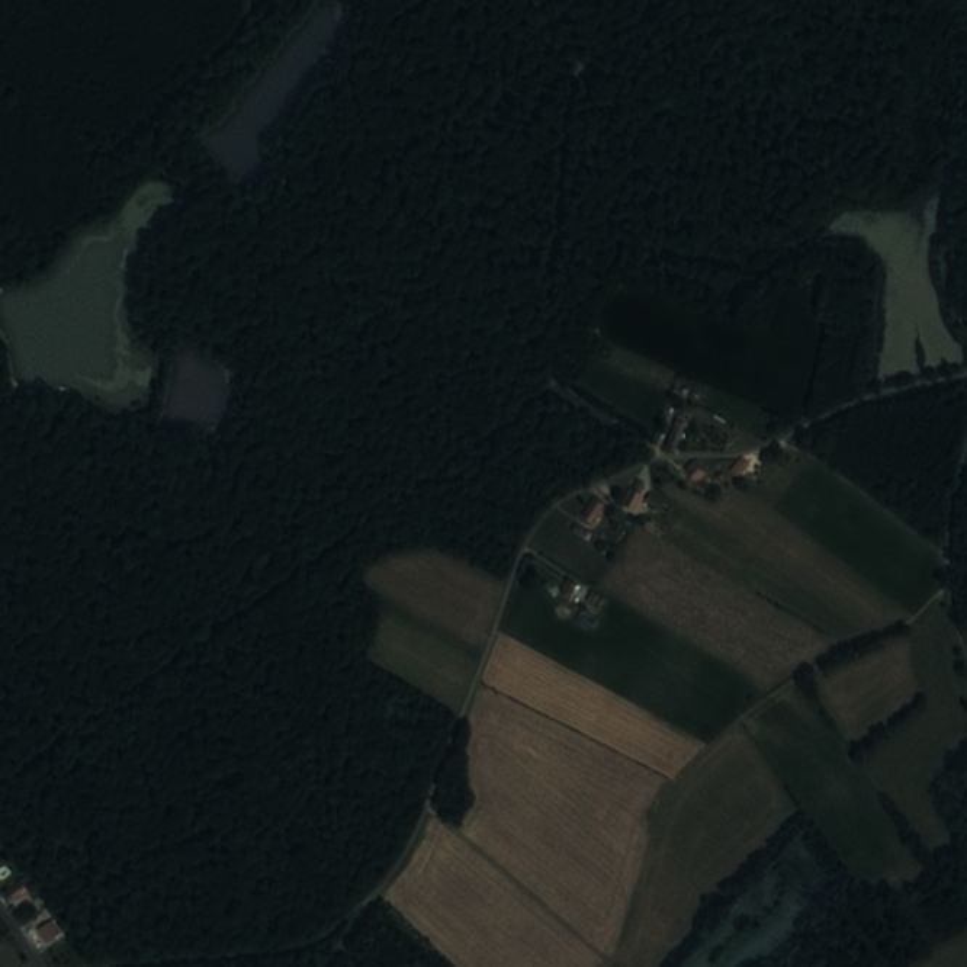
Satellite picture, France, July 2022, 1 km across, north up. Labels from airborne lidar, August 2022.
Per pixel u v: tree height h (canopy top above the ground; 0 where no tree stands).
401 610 0
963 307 28
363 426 22
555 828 0
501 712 0
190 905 23
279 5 26
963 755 15
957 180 27
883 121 21
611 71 30
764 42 28
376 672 17
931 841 0
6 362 15
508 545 17
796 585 0
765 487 0
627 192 26
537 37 28
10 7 12
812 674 16
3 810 20
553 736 0
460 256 29
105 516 23
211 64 28
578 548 0
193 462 22
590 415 16
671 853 0
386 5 30
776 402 0
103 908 22
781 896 6
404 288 14
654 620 0
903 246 0
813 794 0
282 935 17
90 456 18
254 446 28
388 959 10
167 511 26
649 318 0
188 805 23
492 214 28
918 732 0
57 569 21
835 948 28
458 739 14
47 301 0
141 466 22
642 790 0
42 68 13
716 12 27
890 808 12
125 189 15
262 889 24
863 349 19
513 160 32
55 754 16
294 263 25
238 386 12
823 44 20
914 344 0
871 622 0
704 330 0
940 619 0
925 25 7
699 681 0
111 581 24
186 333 13
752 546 0
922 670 0
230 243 24
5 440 23
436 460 20
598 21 26
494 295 23
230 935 16
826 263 25
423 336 29
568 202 28
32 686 23
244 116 0
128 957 11
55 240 19
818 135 15
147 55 10
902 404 18
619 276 26
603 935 0
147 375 0
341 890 21
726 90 25
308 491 21
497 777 0
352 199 26
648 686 0
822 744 0
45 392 22
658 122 29
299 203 31
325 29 0
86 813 22
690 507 0
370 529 15
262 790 23
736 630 0
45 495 19
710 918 18
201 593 21
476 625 0
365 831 17
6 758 26
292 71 0
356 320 15
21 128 12
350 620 19
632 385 0
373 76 31
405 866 0
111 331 0
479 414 20
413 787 16
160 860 21
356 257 26
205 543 25
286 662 24
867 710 0
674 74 29
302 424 20
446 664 0
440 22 32
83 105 10
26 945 0
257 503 22
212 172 18
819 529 0
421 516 20
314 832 26
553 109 27
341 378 26
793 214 30
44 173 14
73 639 25
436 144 23
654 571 0
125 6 13
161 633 19
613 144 26
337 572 19
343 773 16
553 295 28
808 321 0
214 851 23
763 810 0
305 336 22
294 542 19
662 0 26
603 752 0
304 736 26
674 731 0
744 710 0
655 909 0
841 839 0
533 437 20
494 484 21
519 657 0
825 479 0
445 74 30
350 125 30
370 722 20
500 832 0
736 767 0
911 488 16
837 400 11
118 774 21
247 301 21
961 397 13
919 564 0
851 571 0
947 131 27
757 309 29
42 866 16
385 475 20
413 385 23
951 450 18
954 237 24
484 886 0
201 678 22
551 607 0
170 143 12
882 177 29
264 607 20
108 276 0
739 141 26
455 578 0
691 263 22
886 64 24
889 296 0
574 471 19
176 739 23
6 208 13
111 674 24
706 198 32
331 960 17
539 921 0
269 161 20
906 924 9
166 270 22
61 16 11
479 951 0
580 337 23
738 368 0
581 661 0
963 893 8
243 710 27
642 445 22
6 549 25
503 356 23
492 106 25
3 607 22
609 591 0
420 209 19
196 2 11
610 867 0
